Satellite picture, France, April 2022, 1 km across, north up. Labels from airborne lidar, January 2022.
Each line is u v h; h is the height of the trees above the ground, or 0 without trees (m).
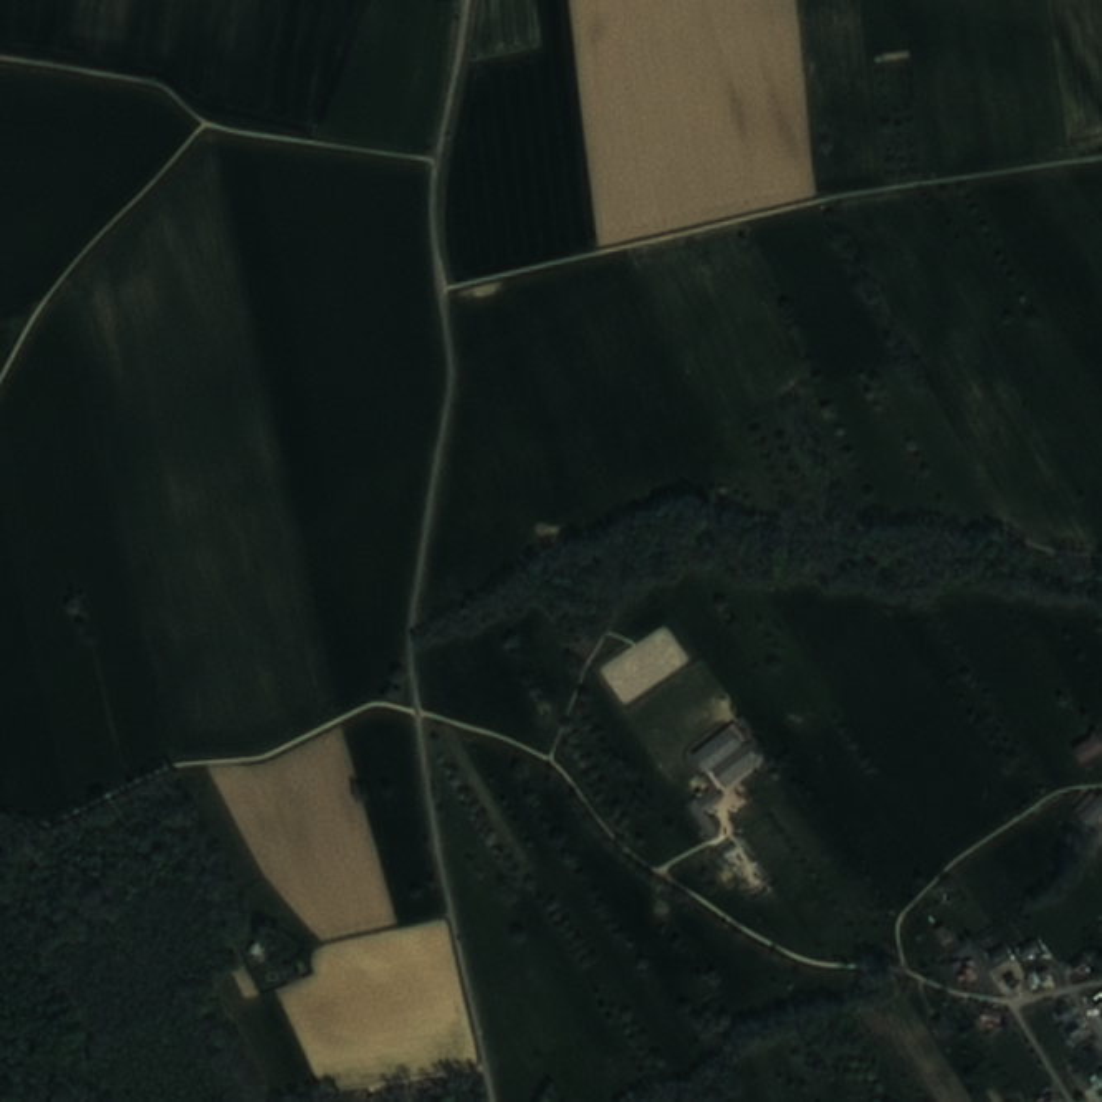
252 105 0
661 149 0
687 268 0
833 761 0
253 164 0
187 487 0
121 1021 17
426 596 0
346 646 0
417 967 0
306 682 0
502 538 0
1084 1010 0
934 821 0
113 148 0
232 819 0
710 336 0
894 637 0
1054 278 0
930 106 0
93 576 0
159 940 18
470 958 0
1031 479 0
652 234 0
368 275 0
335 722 0
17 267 0
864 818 0
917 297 0
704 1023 12
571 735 7
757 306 0
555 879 0
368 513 0
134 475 0
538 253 0
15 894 9
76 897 25
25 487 0
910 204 0
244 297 0
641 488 0
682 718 0
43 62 0
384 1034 0
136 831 10
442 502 0
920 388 15
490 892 0
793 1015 28
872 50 0
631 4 0
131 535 0
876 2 0
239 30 0
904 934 0
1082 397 0
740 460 0
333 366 0
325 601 0
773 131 0
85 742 0
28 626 0
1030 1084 0
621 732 0
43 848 23
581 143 0
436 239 0
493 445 0
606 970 0
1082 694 0
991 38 0
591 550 21
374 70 0
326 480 0
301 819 0
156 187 0
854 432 0
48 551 0
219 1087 21
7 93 0
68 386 0
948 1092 0
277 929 18
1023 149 0
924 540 31
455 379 0
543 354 0
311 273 0
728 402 0
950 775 0
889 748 0
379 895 0
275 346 0
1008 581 27
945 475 0
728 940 0
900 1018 0
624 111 0
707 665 0
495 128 0
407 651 0
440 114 0
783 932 0
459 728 0
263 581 0
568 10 0
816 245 0
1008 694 0
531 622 0
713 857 0
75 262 0
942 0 0
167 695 0
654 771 0
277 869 0
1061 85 0
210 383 0
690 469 0
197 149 0
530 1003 0
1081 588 26
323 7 0
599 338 0
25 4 0
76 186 0
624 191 0
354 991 0
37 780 0
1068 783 0
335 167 0
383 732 0
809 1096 0
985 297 0
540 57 0
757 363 0
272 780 0
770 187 0
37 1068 11
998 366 0
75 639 0
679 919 0
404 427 0
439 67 0
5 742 0
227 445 0
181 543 0
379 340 0
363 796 11
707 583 0
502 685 0
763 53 0
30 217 0
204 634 0
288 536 0
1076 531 0
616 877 0
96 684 0
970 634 0
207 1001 27
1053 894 18
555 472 0
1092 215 0
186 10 0
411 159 0
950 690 0
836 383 0
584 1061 0
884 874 0
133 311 0
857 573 28
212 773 0
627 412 0
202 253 0
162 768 17
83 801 0
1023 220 0
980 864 0
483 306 0
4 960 18
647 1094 23
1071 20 0
